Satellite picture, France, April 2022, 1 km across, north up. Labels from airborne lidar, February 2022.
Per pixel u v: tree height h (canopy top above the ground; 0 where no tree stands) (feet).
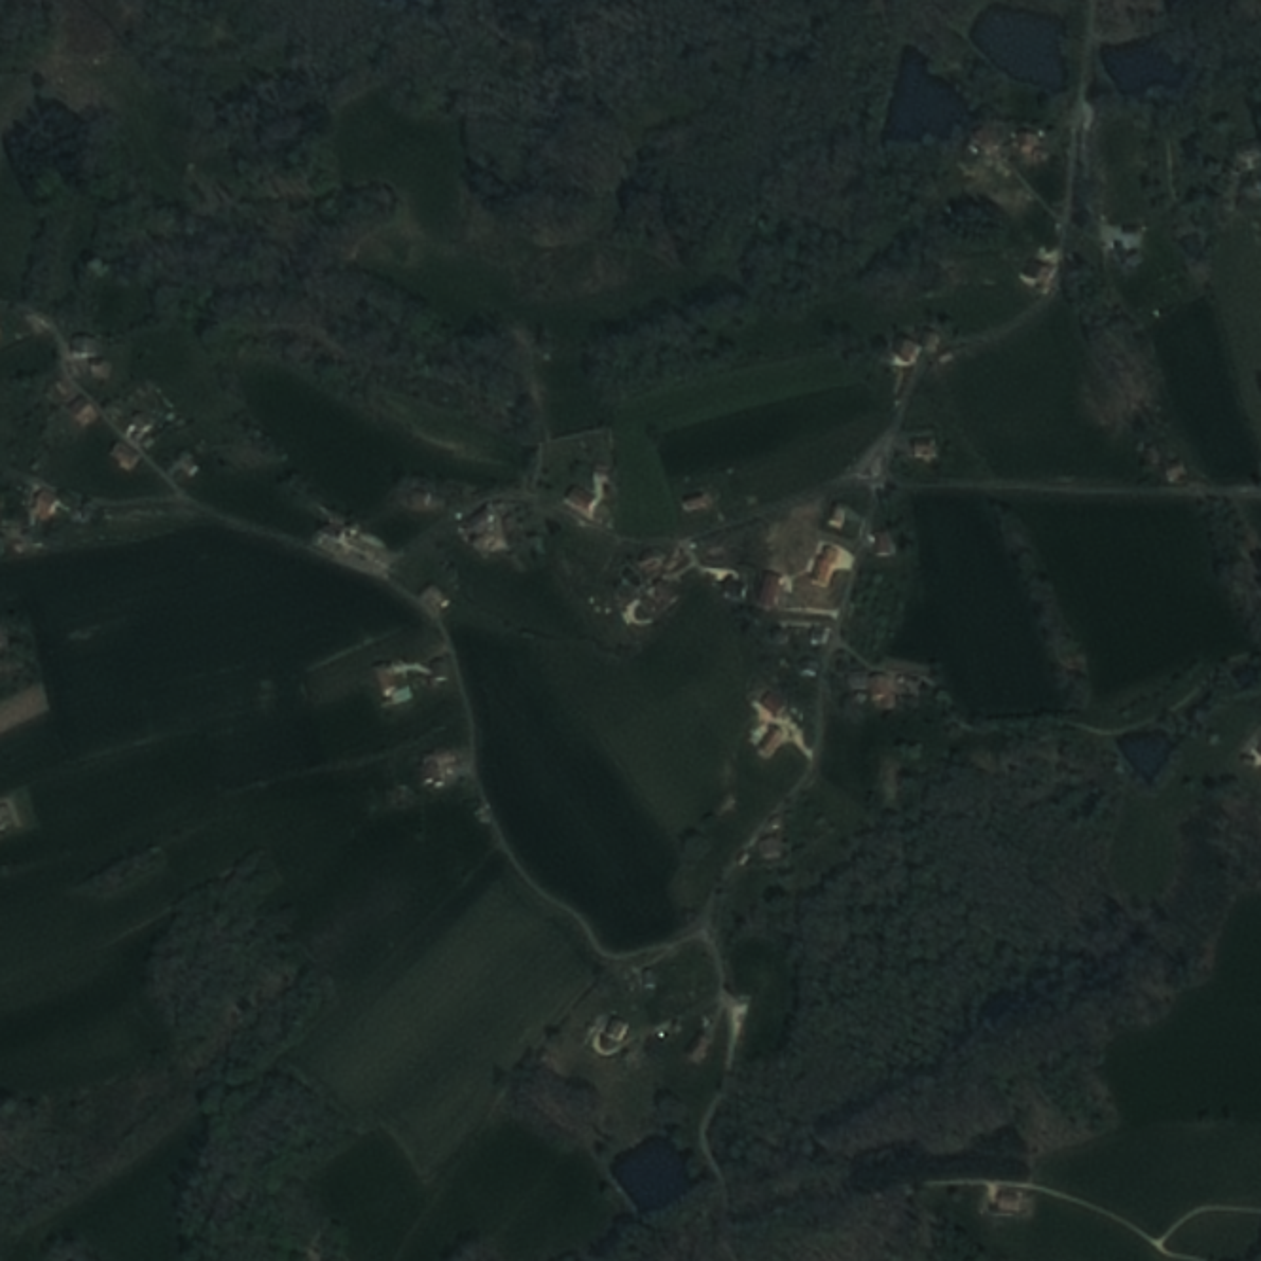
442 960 0
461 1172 0
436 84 78
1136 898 0
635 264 0
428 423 0
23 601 0
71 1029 0
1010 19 0
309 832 0
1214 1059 0
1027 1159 38
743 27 65
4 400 0
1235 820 0
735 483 0
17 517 28
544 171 94
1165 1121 0
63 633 0
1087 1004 96
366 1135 0
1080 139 0
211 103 56
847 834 0
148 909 0
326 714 0
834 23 78
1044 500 0
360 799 0
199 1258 76
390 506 0
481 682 0
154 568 0
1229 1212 0
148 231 28
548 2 27
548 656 0
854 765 0
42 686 0
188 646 0
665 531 0
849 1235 97
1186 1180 0
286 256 83
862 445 0
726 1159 47
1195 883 0
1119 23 0
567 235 69
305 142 71
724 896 39
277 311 100
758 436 0
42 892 0
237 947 50
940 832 63
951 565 0
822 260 77
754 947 0
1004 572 0
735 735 0
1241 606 31
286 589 0
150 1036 0
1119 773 28
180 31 67
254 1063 50
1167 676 0
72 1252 72
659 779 0
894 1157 26
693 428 0
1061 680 49
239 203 95
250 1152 69
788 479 0
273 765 0
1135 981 101
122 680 0
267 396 0
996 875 82
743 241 23
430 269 0
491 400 63
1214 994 0
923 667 0
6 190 0
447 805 0
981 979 72
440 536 0
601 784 0
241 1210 79
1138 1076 0
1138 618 0
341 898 0
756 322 66
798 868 0
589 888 0
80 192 70
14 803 0
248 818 0
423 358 73
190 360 0
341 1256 50
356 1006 0
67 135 80
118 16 0
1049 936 86
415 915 0
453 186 0
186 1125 0
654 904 0
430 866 0
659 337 84
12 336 0
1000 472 0
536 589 0
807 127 48
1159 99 65
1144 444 49
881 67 43
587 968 0
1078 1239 0
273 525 0
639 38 31
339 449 0
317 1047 0
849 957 53
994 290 0
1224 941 0
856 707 39
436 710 0
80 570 0
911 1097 90
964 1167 54
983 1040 92
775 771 0
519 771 0
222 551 0
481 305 0
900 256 45
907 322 0
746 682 0
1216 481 0
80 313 54
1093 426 0
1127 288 0
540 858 0
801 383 0
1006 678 0
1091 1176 0
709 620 0
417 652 0
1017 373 0
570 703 0
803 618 0
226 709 0
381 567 0
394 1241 0
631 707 0
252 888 46
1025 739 23
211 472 0
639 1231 83
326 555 0
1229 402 0
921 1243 65
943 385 0
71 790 0
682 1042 0
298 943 25
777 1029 0
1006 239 72
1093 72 0
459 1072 0
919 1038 52
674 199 46
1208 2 92
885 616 24
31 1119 57
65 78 0
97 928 0
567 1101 91
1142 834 0
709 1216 87
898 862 30
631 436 0
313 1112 64
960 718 36
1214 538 26
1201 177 0
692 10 53
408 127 0
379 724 0
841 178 52
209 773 0
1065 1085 45
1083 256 0
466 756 0
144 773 0
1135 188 0
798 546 0
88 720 0
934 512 0
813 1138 19
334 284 99
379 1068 0
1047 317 0
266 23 22
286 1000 33
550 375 0
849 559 0
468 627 0
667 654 0
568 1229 0
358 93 74
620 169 88
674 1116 66
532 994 0
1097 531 0
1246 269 0
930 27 83
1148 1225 0
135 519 0
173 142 0
